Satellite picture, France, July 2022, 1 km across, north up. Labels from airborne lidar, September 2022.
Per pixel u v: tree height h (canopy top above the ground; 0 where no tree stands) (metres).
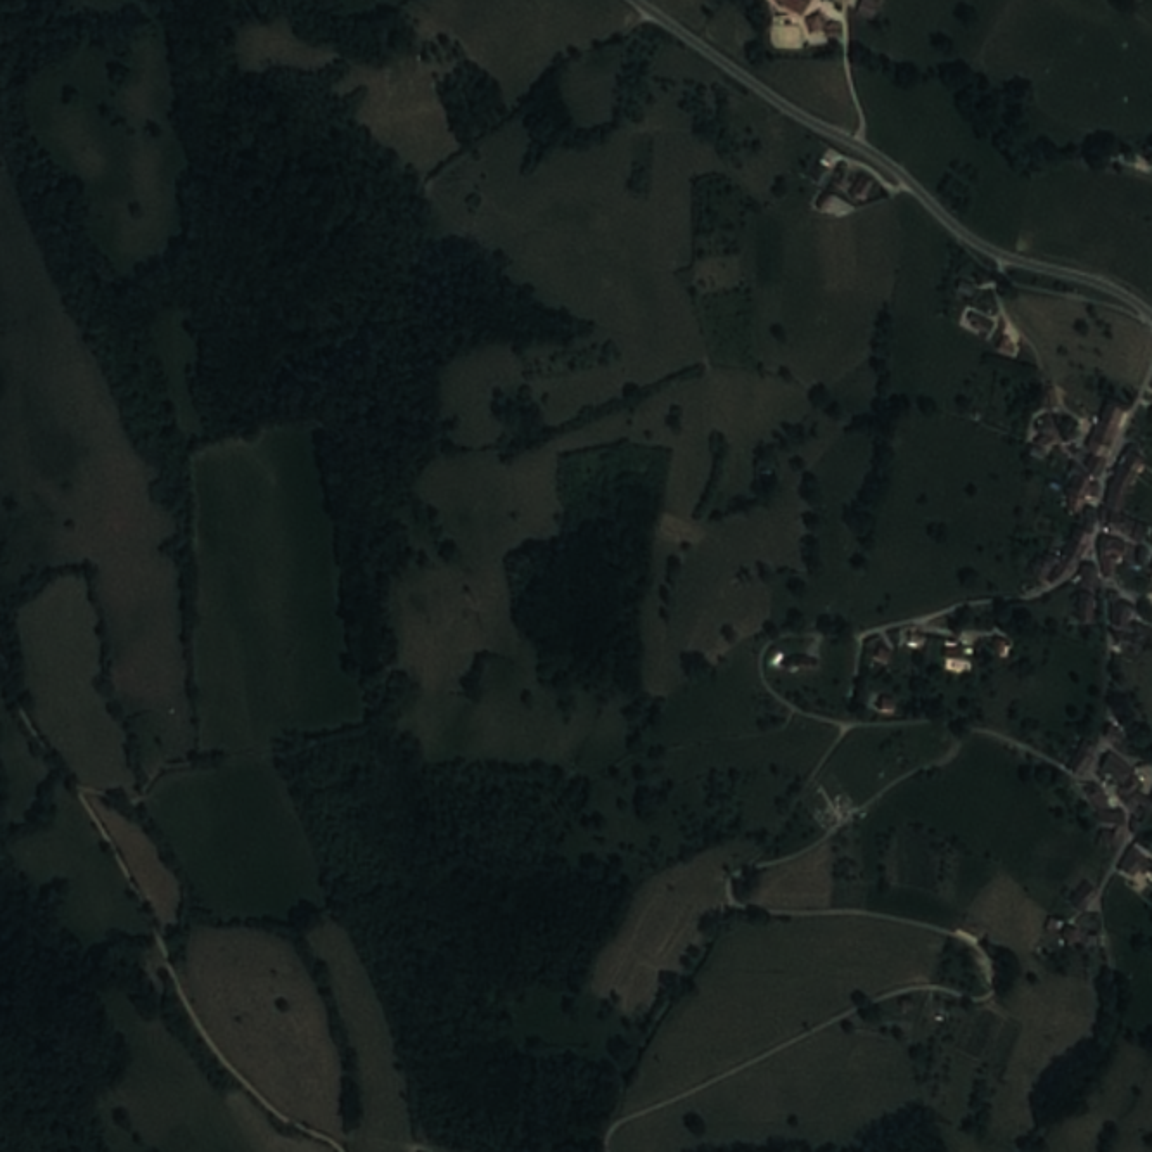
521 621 19
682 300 0
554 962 19
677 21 0
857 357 0
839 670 0
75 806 0
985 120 16
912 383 0
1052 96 0
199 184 20
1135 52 0
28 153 9
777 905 0
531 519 0
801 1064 0
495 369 0
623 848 7
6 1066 16
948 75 18
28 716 7
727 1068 0
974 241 0
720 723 0
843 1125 0
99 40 21
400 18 14
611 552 24
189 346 0
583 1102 20
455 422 6
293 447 0
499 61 0
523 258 0
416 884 13
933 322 0
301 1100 0
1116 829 0
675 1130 0
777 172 0
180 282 17
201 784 0
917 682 9
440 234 0
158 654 0
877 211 0
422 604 0
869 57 17
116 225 0
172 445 12
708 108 8
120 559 0
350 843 6
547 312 17
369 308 7
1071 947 6
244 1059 0
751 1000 0
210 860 0
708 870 0
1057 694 0
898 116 0
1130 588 0
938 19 0
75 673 0
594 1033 0
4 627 9
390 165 18
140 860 0
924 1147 22
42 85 0
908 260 0
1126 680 9
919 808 0
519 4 0
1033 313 0
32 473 0
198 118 21
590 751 0
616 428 0
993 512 0
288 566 0
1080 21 0
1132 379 0
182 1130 0
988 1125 7
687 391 0
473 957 23
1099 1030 15
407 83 0
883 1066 0
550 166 0
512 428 15
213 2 25
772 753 0
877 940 0
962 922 0
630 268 0
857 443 0
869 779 0
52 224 17
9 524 0
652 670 0
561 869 21
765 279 0
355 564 5
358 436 29
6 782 13
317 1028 0
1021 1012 0
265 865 0
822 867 0
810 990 0
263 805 0
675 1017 0
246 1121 0
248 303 22
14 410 0
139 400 12
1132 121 0
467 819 24
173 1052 0
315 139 24
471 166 0
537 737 0
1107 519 0
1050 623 8
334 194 20
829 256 0
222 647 0
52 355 0
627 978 0
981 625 6
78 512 0
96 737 0
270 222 24
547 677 12
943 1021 5
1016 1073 0
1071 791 9
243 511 0
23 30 19
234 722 0
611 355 9
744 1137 0
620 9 0
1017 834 0
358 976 0
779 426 0
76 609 0
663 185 0
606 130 10
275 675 0
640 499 18
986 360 8
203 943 0
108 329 9
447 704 0
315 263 24
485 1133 18
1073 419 7
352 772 7
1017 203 0
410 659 0
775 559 0
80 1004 26
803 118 0
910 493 0
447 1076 12
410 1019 12
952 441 0
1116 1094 0
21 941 29
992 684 7
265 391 24
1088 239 0
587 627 21
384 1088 0
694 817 7
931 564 0
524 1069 23
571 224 0
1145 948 14
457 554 16
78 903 0
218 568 0
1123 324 0
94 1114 11
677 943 0
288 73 17
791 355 0
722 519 9
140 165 0
